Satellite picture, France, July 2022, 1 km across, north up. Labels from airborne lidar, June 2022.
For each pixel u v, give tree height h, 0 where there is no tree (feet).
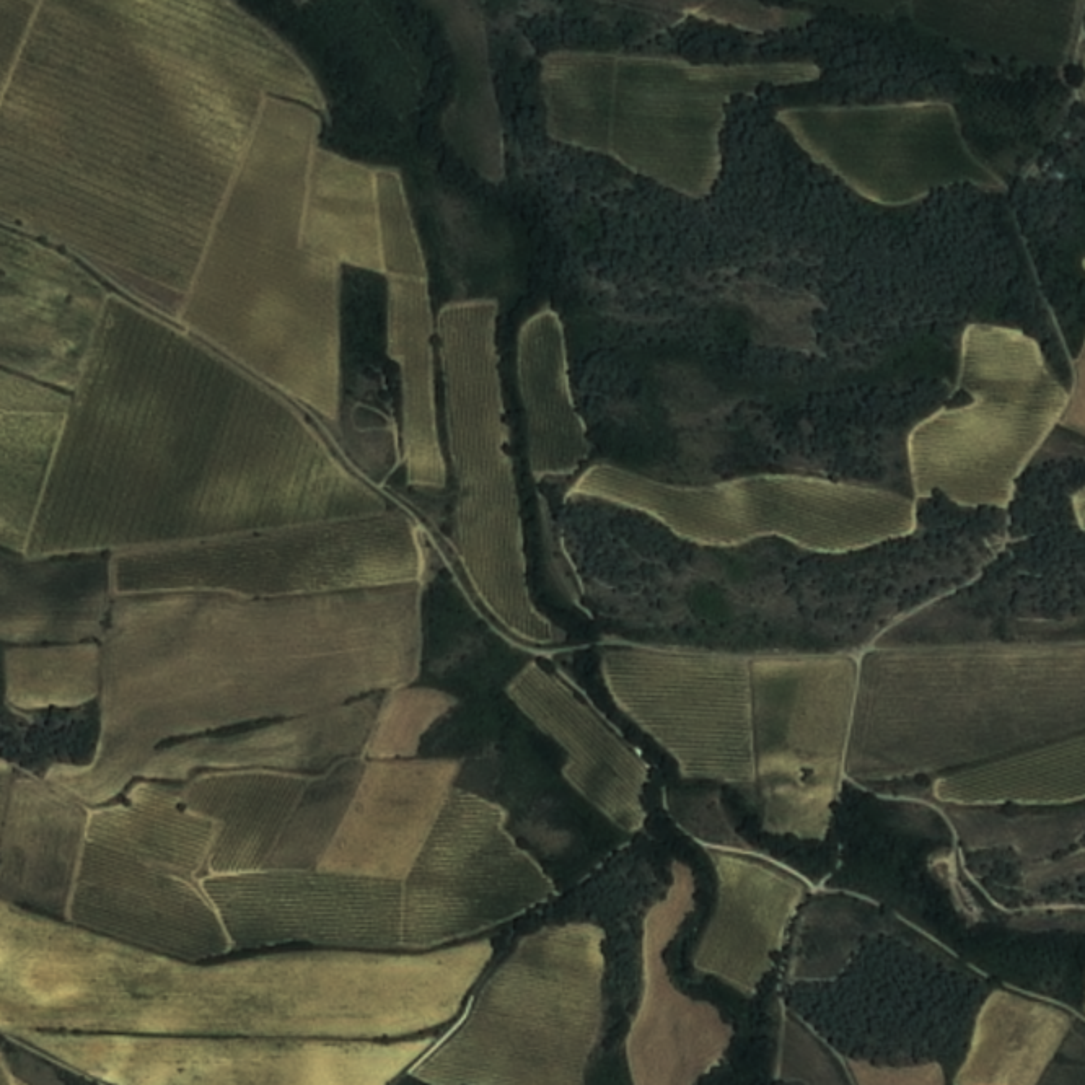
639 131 0
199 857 0
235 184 0
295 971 0
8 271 0
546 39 41
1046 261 42
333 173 0
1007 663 0
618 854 33
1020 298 39
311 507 0
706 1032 0
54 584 0
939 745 0
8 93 0
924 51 31
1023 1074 0
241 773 0
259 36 0
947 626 0
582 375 50
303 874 0
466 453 0
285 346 0
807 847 23
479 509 0
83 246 0
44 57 0
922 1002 40
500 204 33
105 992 0
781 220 40
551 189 43
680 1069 0
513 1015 0
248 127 0
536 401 0
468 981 0
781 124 46
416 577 0
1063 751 0
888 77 20
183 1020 0
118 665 0
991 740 0
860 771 0
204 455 0
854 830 40
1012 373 0
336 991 0
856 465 30
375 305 21
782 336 0
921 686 0
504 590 0
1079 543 49
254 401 0
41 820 0
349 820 0
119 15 0
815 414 56
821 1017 52
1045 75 45
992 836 0
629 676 0
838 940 0
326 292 0
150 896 0
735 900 0
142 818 0
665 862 55
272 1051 0
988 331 0
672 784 41
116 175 0
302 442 0
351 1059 0
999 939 22
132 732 0
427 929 0
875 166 0
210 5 0
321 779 0
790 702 0
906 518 0
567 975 0
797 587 44
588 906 30
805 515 0
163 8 0
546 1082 0
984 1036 0
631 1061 0
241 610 0
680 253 55
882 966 48
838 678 0
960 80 31
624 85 0
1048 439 0
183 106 0
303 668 0
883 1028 46
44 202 0
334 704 0
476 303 0
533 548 49
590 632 45
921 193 0
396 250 0
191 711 0
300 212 0
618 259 42
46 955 0
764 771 0
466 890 0
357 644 0
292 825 0
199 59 0
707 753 0
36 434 0
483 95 0
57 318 0
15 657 0
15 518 0
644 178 31
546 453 0
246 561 0
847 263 34
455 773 0
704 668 0
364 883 0
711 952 0
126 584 0
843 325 39
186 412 0
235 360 0
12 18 0
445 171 50
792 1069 0
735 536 0
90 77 0
